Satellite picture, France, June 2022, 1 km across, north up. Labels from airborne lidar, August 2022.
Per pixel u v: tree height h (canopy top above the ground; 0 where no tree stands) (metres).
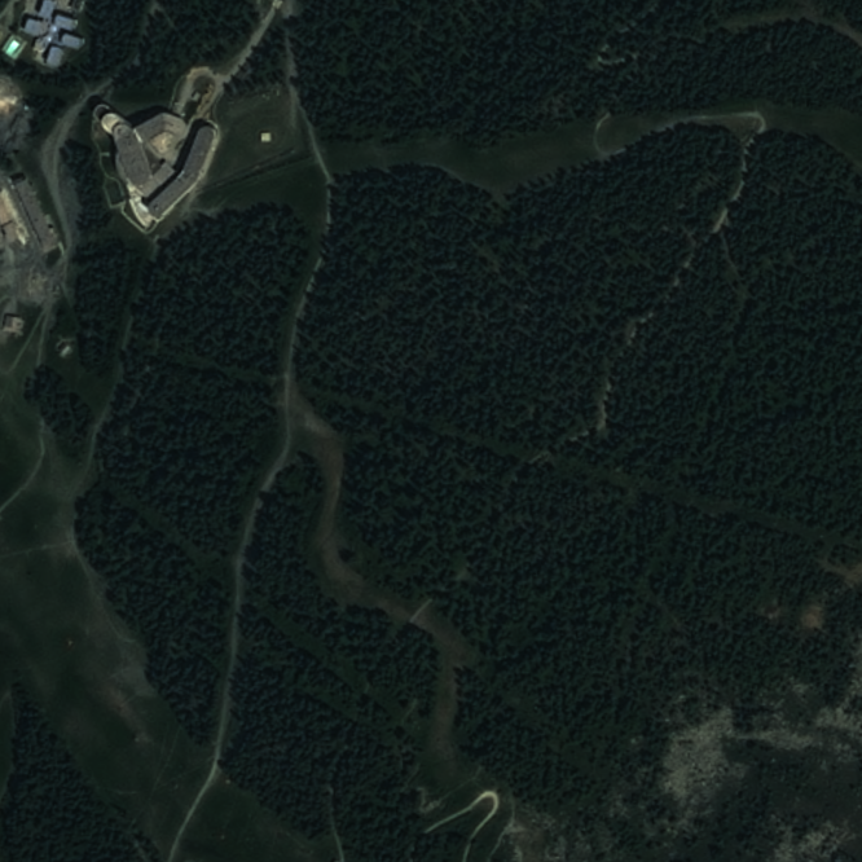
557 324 21
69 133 0
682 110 20
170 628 23
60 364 0
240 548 0
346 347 20
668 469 19
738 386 19
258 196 0
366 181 27
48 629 0
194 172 0
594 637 19
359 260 6
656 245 20
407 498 12
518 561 22
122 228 0
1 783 0
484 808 0
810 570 16
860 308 19
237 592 0
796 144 19
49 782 26
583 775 9
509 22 10
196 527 23
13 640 0
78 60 0
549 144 0
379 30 18
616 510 17
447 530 20
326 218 0
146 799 0
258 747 22
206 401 14
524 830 0
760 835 6
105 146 0
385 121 24
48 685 0
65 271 0
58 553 0
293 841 0
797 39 16
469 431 18
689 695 15
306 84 22
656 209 18
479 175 0
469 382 15
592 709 23
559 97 8
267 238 29
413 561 25
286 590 21
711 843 0
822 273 23
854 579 0
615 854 8
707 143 20
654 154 20
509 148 0
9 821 23
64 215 0
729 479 18
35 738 26
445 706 0
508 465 19
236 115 0
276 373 27
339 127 9
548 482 26
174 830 0
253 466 34
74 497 0
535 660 17
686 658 18
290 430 0
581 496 20
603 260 19
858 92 18
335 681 24
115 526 12
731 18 9
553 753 19
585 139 0
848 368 26
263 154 0
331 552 0
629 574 18
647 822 0
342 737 25
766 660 20
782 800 0
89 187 25
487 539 13
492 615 26
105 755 0
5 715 0
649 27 20
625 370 20
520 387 24
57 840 20
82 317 12
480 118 13
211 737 24
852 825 0
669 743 11
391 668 25
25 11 0
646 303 19
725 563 20
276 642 22
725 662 20
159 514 10
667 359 18
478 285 23
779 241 16
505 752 19
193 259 25
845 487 12
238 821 0
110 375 8
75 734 0
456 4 25
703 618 16
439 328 23
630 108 23
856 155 0
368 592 0
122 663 0
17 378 0
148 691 0
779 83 20
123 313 9
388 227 31
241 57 0
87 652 0
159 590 16
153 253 0
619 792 0
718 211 20
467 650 0
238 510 27
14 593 0
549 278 24
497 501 22
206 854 0
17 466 0
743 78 20
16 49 0
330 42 22
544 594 25
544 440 24
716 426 17
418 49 16
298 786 17
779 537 13
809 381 23
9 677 0
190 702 24
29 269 0
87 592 0
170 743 0
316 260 0
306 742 17
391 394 33
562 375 23
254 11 20
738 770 0
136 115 0
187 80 0
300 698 16
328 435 0
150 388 23
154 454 13
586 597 22
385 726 17
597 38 23
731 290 20
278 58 25
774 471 15
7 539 0
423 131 12
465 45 10
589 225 22
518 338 24
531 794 15
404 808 15
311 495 8
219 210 0
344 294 10
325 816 19
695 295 21
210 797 0
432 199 23
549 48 7
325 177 0
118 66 15
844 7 15
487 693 22
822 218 16
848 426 12
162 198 0
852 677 10
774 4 16
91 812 16
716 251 22
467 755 13
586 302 27
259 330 28
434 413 25
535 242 25
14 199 0
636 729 14
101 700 0
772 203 21
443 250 29
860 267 17
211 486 29
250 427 15
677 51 22
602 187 20
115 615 0
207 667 24
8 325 0
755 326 24
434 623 0
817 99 21
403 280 25
